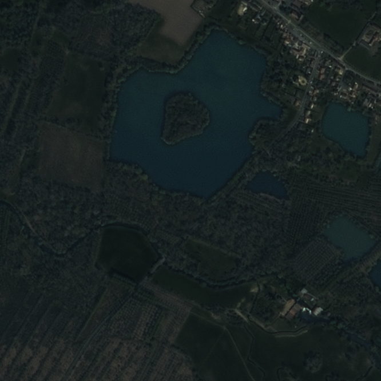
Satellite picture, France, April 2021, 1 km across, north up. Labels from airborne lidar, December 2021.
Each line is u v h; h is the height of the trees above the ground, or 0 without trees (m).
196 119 15
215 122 0
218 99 0
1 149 9
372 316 0
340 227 0
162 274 0
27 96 32
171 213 20
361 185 0
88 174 0
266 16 7
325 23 0
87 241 28
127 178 22
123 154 0
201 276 19
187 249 0
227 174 0
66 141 0
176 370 20
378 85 7
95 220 25
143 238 0
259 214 10
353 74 7
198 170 0
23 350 8
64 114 0
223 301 0
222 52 0
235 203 23
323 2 17
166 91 0
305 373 0
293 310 0
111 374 16
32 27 21
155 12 14
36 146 14
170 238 28
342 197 9
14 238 32
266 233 33
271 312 8
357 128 0
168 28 0
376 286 13
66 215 23
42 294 8
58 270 32
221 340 0
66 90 0
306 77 14
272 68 0
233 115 0
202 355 0
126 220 25
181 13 0
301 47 0
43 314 8
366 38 0
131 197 13
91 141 0
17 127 28
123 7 24
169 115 20
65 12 27
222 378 0
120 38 8
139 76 0
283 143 18
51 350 13
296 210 14
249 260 31
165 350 13
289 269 23
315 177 8
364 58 0
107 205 25
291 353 0
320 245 33
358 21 0
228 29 0
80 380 14
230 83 0
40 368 18
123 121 0
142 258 0
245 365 0
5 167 27
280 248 34
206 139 0
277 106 0
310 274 34
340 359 0
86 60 0
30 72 20
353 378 0
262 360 0
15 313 7
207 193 0
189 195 7
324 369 0
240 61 0
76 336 14
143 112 0
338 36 0
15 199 0
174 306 26
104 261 0
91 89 0
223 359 0
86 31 6
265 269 22
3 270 9
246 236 35
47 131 0
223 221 35
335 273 26
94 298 11
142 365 19
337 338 0
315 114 0
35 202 31
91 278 26
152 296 26
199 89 0
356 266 21
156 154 0
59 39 0
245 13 6
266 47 0
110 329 10
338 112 0
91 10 0
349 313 0
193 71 0
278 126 10
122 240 0
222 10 0
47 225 24
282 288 12
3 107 10
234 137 0
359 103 9
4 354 8
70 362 18
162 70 12
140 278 0
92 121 0
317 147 0
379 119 0
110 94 22
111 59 7
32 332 9
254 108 0
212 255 0
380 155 6
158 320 25
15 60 0
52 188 22
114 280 22
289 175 10
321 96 7
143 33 16
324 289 29
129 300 24
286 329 0
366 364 0
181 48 0
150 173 0
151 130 0
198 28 0
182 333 0
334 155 21
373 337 0
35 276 15
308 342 0
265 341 0
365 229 13
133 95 0
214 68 0
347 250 0
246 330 0
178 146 0
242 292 0
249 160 8
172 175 0
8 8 21
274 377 0
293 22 0
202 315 0
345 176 0
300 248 25
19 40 26
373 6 0
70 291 12
